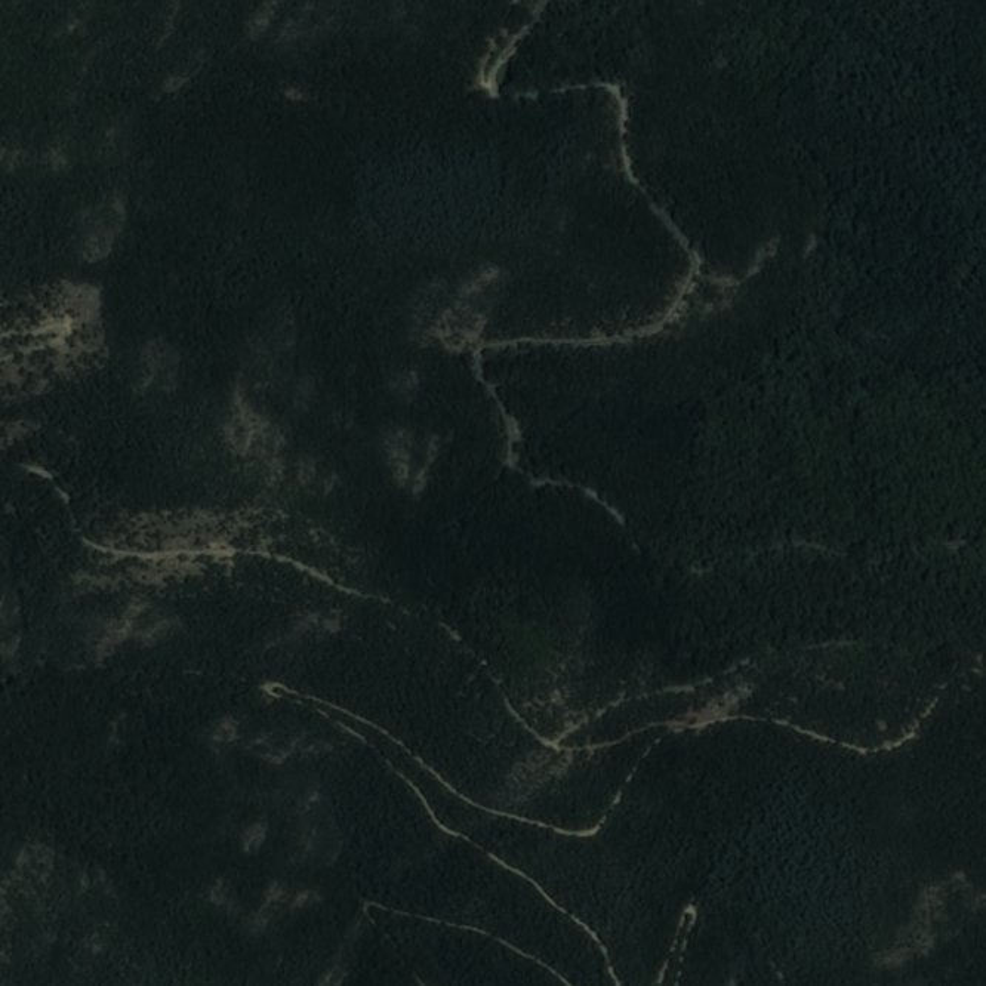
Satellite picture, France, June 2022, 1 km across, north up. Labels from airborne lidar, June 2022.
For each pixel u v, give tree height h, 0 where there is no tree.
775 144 12
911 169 13
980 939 11
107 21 6
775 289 10
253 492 6
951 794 9
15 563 11
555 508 14
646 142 8
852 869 12
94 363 7
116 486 6
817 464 10
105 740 7
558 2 17
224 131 14
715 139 13
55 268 11
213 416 6
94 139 6
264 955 9
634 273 9
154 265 8
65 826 11
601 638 7
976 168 19
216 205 6
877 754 7
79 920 9
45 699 13
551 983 12
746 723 10
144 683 13
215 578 11
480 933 8
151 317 8
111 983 8
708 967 7
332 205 12
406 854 8
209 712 8
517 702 7
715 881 13
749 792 11
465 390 11
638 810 6
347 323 16
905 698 9
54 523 9
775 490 11
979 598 13
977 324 8
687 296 7
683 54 13
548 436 14
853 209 18
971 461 14
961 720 14
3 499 13
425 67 10
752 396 11
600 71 15
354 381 8
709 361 10
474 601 13
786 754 9
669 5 6
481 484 16
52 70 10
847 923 13
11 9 11
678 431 19
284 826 6
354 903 6
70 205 6
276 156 7
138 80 14
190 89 14
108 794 7
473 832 7
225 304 16
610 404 15
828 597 13
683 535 14
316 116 15
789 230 8
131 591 7
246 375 6
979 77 14
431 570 14
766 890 13
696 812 13
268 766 5
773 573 9
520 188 9
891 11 16
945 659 13
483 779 6
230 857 8
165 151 12
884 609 13
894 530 20
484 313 6
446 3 10
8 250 7
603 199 12
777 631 10
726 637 15
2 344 7
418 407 9
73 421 12
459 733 9
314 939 10
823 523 10
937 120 11
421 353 8
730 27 8
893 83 15
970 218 18
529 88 15
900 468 10
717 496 12
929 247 14
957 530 18
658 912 7
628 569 17
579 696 6
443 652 10
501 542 18
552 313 8
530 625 11
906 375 15
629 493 9
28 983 8
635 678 9
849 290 13
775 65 15
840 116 12
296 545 8
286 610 8
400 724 9
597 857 6
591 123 9
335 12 7
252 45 7
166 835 10
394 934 8
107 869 7
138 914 9
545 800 7
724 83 18
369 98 12
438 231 16
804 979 10
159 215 13
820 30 11
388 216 16
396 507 9
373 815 10
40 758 12
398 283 8
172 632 7
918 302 11
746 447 13
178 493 6
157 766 16
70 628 8
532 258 9
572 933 9
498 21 14
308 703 12
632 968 5
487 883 7
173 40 8
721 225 11
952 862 6
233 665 9
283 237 14
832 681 8
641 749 9
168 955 9
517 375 15
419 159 16
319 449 6
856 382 13
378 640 9
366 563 7
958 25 13
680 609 16
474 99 16
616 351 12
